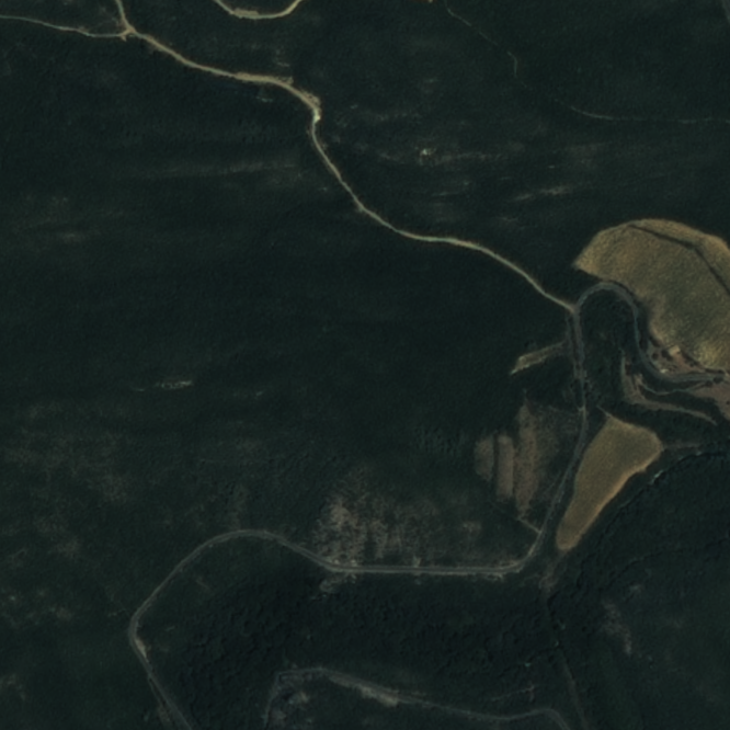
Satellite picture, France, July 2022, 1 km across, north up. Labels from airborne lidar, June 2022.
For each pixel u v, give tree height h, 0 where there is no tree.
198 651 25
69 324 6
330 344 6
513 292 7
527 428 0
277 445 8
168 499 6
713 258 0
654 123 7
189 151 7
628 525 9
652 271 0
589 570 23
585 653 16
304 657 12
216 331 9
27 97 6
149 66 6
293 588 15
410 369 6
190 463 6
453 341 6
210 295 8
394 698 0
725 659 7
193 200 7
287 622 15
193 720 13
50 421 6
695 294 0
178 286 8
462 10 7
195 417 6
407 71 7
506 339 6
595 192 6
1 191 7
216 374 8
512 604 12
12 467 7
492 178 6
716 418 6
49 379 6
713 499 8
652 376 9
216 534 9
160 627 8
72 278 8
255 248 7
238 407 6
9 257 6
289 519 7
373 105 7
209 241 6
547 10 6
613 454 0
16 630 9
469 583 7
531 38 7
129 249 6
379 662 8
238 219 6
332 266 7
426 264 10
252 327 7
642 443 0
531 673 19
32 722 6
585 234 8
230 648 27
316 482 8
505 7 8
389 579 8
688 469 10
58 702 8
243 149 7
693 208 5
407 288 7
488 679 13
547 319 5
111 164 5
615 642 7
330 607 15
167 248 7
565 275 9
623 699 8
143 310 7
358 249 6
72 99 6
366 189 7
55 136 6
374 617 23
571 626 19
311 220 11
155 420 6
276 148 7
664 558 12
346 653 10
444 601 15
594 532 8
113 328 8
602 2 7
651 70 8
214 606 12
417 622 24
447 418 6
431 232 6
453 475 6
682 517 8
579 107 7
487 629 13
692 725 6
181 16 6
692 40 7
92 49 9
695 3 7
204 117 6
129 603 6
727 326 0
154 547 6
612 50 7
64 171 6
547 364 7
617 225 7
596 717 14
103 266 6
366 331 8
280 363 6
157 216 8
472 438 6
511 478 0
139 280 7
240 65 6
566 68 6
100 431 6
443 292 7
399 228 8
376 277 7
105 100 7
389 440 5
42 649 6
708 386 6
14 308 6
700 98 6
